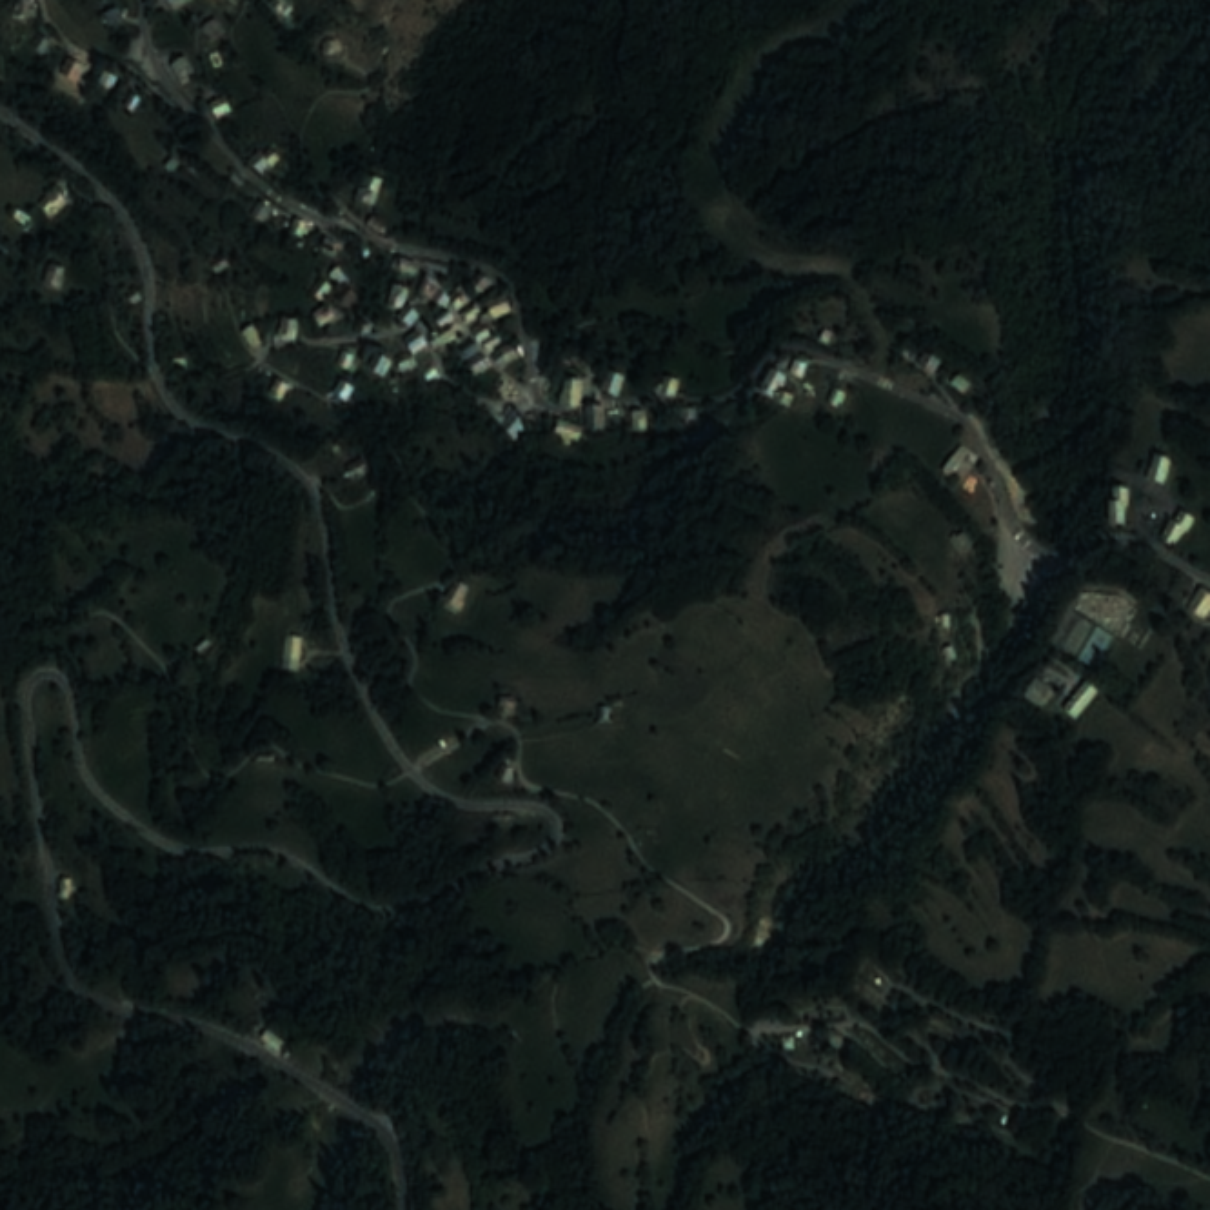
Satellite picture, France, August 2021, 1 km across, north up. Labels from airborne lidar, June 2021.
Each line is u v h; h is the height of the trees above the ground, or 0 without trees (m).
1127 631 0
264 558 19
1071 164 16
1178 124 16
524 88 13
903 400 0
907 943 11
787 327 16
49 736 0
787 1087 12
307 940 17
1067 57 13
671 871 0
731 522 14
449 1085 24
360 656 8
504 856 0
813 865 17
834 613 10
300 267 0
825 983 26
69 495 15
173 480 12
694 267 15
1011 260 15
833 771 0
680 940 0
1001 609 14
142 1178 10
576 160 14
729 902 0
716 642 0
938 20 11
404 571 0
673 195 24
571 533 12
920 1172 23
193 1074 15
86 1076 0
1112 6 10
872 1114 14
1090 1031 15
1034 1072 11
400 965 19
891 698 7
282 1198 0
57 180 9
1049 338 14
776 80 16
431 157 15
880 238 15
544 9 20
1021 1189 21
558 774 0
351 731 0
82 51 0
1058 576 26
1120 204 23
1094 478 12
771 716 0
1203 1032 24
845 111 28
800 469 0
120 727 0
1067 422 21
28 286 13
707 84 9
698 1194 11
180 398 9
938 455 0
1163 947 0
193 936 12
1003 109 10
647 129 14
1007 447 16
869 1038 0
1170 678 0
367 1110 8
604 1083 17
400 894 11
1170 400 11
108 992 0
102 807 0
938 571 0
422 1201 21
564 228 22
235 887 19
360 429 15
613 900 0
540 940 0
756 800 0
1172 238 14
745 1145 17
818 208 25
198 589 0
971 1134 11
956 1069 14
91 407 10
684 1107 8
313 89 0
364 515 0
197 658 11
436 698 0
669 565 19
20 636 18
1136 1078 14
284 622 0
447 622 0
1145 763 0
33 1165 15
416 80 11
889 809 15
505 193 14
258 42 0
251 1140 22
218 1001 16
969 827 12
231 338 0
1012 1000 15
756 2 19
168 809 13
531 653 0
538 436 14
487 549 23
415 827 10
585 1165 13
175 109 8
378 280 8
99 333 11
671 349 10
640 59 19
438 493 17
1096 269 14
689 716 0
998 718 13
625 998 13
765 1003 20
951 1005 10
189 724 11
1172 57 13
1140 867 11
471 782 10
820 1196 23
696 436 13
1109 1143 0
